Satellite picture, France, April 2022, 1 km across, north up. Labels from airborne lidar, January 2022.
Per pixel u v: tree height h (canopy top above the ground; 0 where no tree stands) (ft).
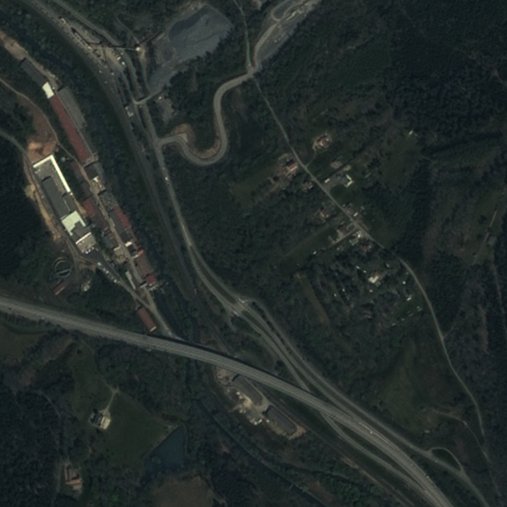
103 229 0
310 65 46
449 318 22
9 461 98
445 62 28
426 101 88
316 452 50
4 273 32
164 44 0
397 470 0
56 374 18
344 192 0
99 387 0
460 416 0
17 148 32
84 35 0
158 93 0
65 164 36
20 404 63
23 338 0
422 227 30
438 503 0
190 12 0
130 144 0
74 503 94
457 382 0
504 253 69
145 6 38
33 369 100
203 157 0
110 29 35
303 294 79
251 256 57
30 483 100
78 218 0
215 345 0
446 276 19
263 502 0
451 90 82
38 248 61
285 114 69
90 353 0
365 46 32
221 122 0
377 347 80
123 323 52
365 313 69
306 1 0
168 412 43
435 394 0
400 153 0
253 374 0
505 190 35
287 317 42
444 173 72
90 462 47
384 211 40
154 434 0
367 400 45
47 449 88
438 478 54
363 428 0
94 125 78
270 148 40
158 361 64
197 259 0
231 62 66
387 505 0
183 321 24
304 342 27
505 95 58
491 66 75
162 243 41
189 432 23
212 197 59
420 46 33
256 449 53
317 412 0
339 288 45
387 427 0
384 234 0
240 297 0
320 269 59
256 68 0
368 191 45
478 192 60
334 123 49
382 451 0
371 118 68
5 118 51
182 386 87
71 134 0
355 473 46
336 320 65
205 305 26
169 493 0
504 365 81
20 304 0
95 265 0
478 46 27
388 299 68
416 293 79
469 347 61
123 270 20
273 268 48
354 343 52
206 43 0
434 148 29
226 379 0
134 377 110
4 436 64
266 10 42
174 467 0
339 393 0
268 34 0
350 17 55
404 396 0
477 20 31
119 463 0
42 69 0
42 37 71
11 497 98
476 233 0
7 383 93
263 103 25
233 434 36
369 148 65
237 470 97
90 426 0
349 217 0
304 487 27
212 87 22
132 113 0
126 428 0
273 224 67
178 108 34
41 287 31
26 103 0
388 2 45
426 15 25
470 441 0
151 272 0
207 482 90
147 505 95
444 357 0
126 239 0
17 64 41
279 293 45
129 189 72
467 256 0
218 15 0
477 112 106
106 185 0
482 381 93
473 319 0
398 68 50
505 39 28
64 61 77
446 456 0
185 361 43
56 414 82
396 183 0
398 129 65
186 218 50
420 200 37
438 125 95
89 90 77
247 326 68
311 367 0
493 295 88
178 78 42
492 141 81
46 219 0
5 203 45
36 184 0
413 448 0
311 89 60
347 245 0
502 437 90
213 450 98
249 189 0
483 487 64
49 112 48
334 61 36
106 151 61
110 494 76
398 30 40
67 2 65
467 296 97
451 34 29
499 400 80
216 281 0
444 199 59
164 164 0
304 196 27
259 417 0
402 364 0
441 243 36
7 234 35
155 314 0
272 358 0
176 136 0
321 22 37
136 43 0
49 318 0
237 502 114
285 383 0
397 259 49
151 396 98
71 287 0
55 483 77
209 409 67
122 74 0
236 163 21
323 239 0
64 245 0
